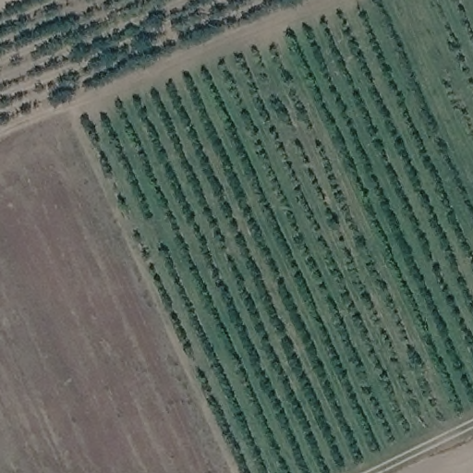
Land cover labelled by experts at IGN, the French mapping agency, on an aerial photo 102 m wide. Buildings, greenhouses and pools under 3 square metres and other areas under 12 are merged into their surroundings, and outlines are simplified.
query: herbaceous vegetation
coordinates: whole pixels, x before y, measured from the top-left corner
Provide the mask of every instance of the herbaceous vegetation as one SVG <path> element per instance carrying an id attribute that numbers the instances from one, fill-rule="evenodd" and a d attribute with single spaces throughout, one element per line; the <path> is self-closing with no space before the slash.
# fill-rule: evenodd
<path id="1" fill-rule="evenodd" d="M 172 79 L 174 83 L 181 81 L 183 72 L 192 72 L 201 65 L 207 67 L 220 57 L 242 52 L 248 46 L 251 46 L 251 52 L 257 52 L 270 46 L 272 42 L 279 44 L 286 39 L 286 30 L 296 30 L 303 24 L 312 26 L 320 17 L 327 18 L 333 13 L 340 17 L 347 9 L 357 7 L 357 4 L 360 6 L 364 0 L 301 0 L 297 6 L 275 7 L 268 15 L 249 20 L 246 24 L 224 28 L 207 41 L 188 44 L 187 41 L 179 39 L 181 31 L 192 30 L 196 24 L 205 24 L 207 20 L 240 17 L 244 11 L 259 6 L 264 0 L 207 0 L 205 4 L 200 4 L 200 17 L 187 18 L 174 26 L 170 20 L 164 20 L 163 33 L 155 39 L 155 46 L 161 46 L 166 41 L 174 41 L 172 54 L 159 55 L 153 59 L 150 67 L 135 68 L 103 83 L 100 87 L 85 87 L 85 79 L 96 74 L 94 68 L 85 72 L 85 67 L 89 65 L 89 61 L 85 59 L 76 63 L 65 63 L 48 72 L 30 76 L 30 68 L 44 65 L 48 59 L 57 55 L 68 55 L 72 50 L 70 46 L 63 44 L 59 50 L 48 52 L 41 57 L 31 57 L 31 52 L 39 44 L 50 41 L 46 33 L 26 42 L 20 48 L 9 48 L 0 55 L 0 126 L 22 113 L 30 113 L 30 102 L 37 100 L 39 107 L 46 107 L 50 103 L 48 96 L 52 91 L 48 89 L 48 81 L 54 81 L 65 72 L 78 72 L 78 79 L 67 79 L 67 87 L 74 91 L 72 98 L 68 102 L 54 105 L 57 115 L 70 115 L 74 131 L 81 126 L 81 115 L 89 115 L 92 122 L 98 120 L 102 113 L 107 113 L 115 107 L 116 98 L 124 100 L 133 94 L 140 96 L 142 92 L 152 89 L 161 91 L 166 87 L 168 79 Z"/>
<path id="2" fill-rule="evenodd" d="M 87 7 L 92 7 L 94 13 L 91 17 L 78 18 L 79 24 L 85 26 L 100 20 L 103 26 L 102 35 L 105 37 L 113 31 L 122 30 L 127 24 L 139 24 L 153 9 L 177 9 L 185 6 L 188 0 L 0 0 L 0 42 L 13 41 L 22 31 L 33 30 L 41 22 L 65 17 L 68 13 L 81 13 Z"/>

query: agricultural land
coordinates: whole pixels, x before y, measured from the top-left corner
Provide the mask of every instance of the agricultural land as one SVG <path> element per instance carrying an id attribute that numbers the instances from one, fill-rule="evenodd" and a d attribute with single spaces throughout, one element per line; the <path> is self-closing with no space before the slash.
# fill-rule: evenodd
<path id="1" fill-rule="evenodd" d="M 81 126 L 74 131 L 70 115 L 57 115 L 54 105 L 50 103 L 46 107 L 39 107 L 37 100 L 30 102 L 30 113 L 22 113 L 0 126 L 0 473 L 358 473 L 473 416 L 473 0 L 364 0 L 360 6 L 357 4 L 357 7 L 347 9 L 340 17 L 333 13 L 327 18 L 320 17 L 312 26 L 303 24 L 296 30 L 286 30 L 286 39 L 279 44 L 272 42 L 270 46 L 257 52 L 251 52 L 251 46 L 248 46 L 242 52 L 220 57 L 207 67 L 201 65 L 192 72 L 183 72 L 181 81 L 174 83 L 172 79 L 168 79 L 166 87 L 161 91 L 152 89 L 142 92 L 140 96 L 133 94 L 124 100 L 116 98 L 115 107 L 107 113 L 102 113 L 98 120 L 92 122 L 100 135 L 98 142 L 92 142 L 85 127 Z M 155 270 L 161 275 L 166 292 L 172 297 L 174 312 L 179 316 L 192 346 L 187 351 L 177 338 L 172 320 L 164 309 L 163 297 L 148 272 L 150 264 L 155 264 Z"/>
<path id="2" fill-rule="evenodd" d="M 445 455 L 423 458 L 418 464 L 412 464 L 399 473 L 473 473 L 473 442 Z"/>

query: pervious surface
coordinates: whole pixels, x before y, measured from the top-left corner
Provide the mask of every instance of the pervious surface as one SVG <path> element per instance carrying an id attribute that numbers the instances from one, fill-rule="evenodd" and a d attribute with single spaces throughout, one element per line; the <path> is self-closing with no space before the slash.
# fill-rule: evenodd
<path id="1" fill-rule="evenodd" d="M 399 473 L 412 464 L 418 464 L 423 458 L 445 455 L 473 442 L 473 416 L 358 473 Z"/>

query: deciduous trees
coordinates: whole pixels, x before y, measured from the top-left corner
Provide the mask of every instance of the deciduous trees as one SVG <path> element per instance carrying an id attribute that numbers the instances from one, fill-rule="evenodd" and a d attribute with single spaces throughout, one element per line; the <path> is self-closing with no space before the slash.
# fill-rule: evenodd
<path id="1" fill-rule="evenodd" d="M 166 292 L 161 275 L 155 270 L 155 264 L 150 264 L 148 272 L 163 297 L 164 309 L 172 320 L 177 338 L 187 351 L 192 346 L 179 316 L 174 312 L 172 297 Z"/>
<path id="2" fill-rule="evenodd" d="M 31 52 L 31 57 L 41 57 L 48 52 L 59 50 L 63 44 L 70 46 L 72 50 L 68 55 L 57 55 L 48 59 L 44 65 L 30 68 L 30 76 L 48 72 L 65 63 L 76 63 L 85 59 L 89 61 L 89 65 L 85 67 L 85 72 L 94 68 L 96 74 L 85 79 L 85 87 L 100 87 L 103 83 L 135 68 L 150 67 L 153 59 L 159 55 L 172 54 L 174 41 L 166 41 L 161 46 L 155 46 L 155 39 L 163 33 L 164 20 L 170 20 L 174 26 L 187 18 L 200 17 L 200 4 L 205 4 L 207 0 L 188 0 L 185 6 L 177 9 L 153 9 L 139 24 L 127 24 L 122 30 L 113 31 L 105 37 L 102 35 L 103 26 L 100 20 L 85 26 L 79 24 L 78 18 L 91 17 L 94 13 L 92 7 L 87 7 L 81 13 L 68 13 L 65 17 L 41 22 L 33 30 L 22 31 L 13 41 L 0 42 L 0 55 L 9 48 L 20 48 L 26 42 L 46 33 L 50 41 L 39 44 Z"/>
<path id="3" fill-rule="evenodd" d="M 67 87 L 67 79 L 78 79 L 78 72 L 65 72 L 54 81 L 48 81 L 48 89 L 52 91 L 48 96 L 50 103 L 54 105 L 68 102 L 72 98 L 74 91 Z"/>
<path id="4" fill-rule="evenodd" d="M 98 142 L 100 135 L 92 122 L 89 115 L 81 115 L 81 126 L 85 127 L 92 142 Z"/>
<path id="5" fill-rule="evenodd" d="M 268 15 L 275 7 L 297 6 L 301 0 L 264 0 L 259 6 L 244 11 L 240 17 L 207 20 L 205 24 L 196 24 L 192 30 L 181 31 L 179 39 L 187 41 L 188 44 L 207 41 L 224 28 L 246 24 L 249 20 Z"/>

